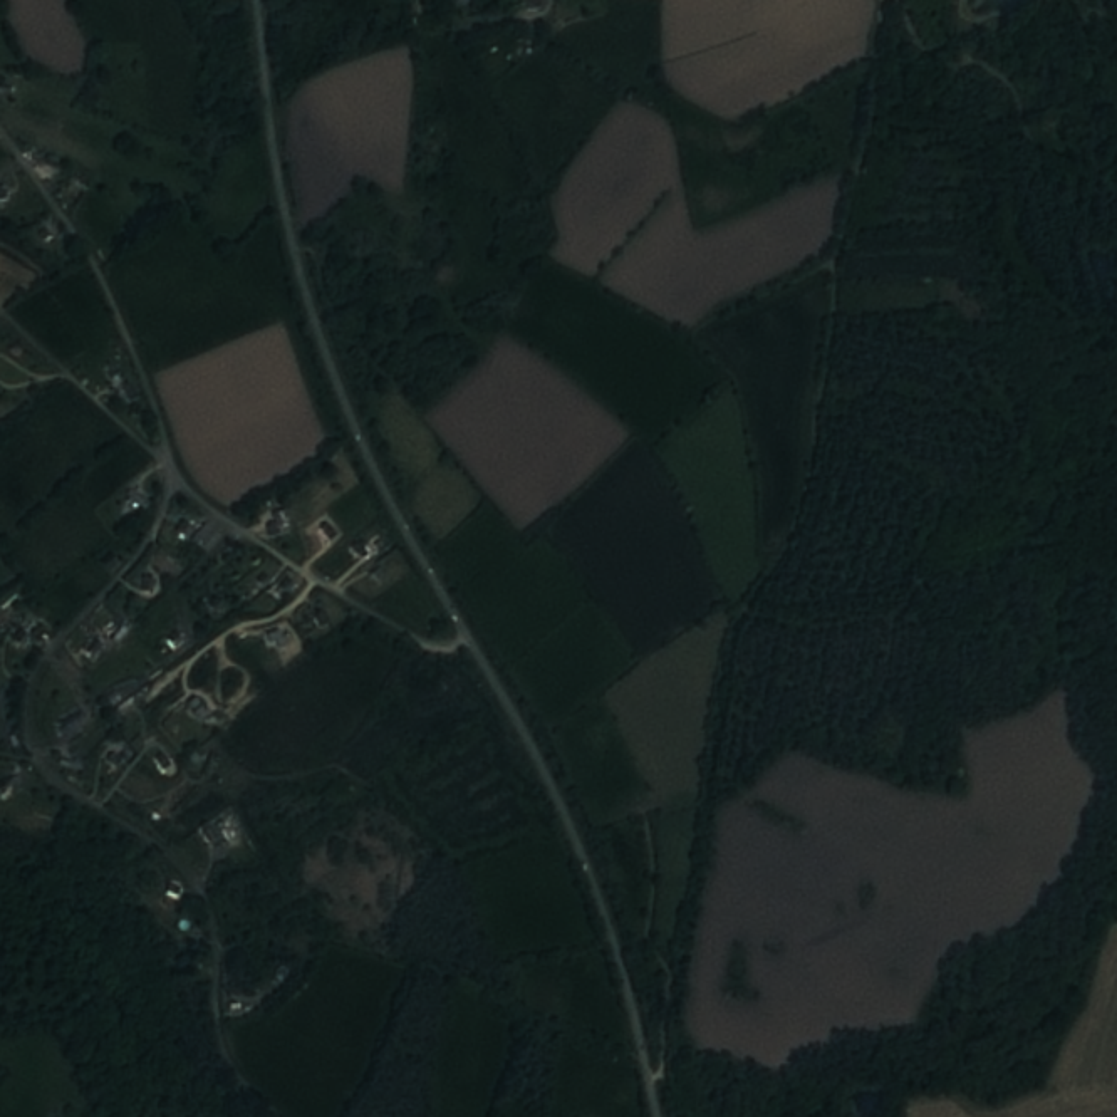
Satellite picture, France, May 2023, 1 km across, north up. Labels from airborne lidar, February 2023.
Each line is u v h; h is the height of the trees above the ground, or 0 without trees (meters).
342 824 6
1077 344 25
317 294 8
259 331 0
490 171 0
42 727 0
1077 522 11
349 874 0
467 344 12
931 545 16
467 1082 0
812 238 0
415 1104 18
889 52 11
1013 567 20
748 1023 0
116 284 0
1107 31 14
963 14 0
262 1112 25
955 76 7
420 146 7
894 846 0
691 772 0
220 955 0
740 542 0
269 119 0
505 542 0
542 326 0
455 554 0
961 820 0
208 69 7
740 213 0
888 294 0
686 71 0
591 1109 0
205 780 0
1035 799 0
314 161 0
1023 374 18
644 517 0
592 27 0
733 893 0
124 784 0
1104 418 10
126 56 0
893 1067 15
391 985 0
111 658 0
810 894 0
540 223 9
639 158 0
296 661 0
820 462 13
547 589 0
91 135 0
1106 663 18
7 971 15
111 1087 21
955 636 12
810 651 7
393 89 0
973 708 22
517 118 0
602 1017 0
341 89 0
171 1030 16
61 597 0
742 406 0
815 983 0
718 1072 17
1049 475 21
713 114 0
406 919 12
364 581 0
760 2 0
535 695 0
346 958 0
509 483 0
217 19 8
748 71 0
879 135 12
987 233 11
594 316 0
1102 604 12
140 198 17
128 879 18
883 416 8
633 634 0
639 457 0
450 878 13
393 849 6
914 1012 0
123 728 6
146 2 0
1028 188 19
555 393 0
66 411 0
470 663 8
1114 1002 0
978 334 9
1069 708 13
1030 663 19
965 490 7
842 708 8
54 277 7
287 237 0
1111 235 13
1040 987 17
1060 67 19
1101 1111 0
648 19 0
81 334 0
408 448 0
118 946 16
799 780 0
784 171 0
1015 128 7
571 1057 0
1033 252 17
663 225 0
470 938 13
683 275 0
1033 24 21
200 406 0
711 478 0
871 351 10
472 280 0
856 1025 0
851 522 12
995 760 0
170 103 0
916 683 11
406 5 6
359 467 9
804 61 0
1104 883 15
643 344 0
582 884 9
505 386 0
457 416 0
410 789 0
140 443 0
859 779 0
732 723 9
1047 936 18
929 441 11
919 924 0
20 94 0
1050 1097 0
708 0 0
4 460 0
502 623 0
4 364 0
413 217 0
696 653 0
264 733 0
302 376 0
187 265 0
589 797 0
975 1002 13
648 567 0
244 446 0
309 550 0
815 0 0
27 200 0
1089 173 10
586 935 0
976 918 0
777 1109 9
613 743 0
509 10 6
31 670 10
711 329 0
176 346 0
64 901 12
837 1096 11
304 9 10
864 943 0
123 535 9
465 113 0
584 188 0
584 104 0
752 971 0
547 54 8
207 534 0
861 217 0
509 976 8
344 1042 0
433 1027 14
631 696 0
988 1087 7
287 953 9
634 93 10
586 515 0
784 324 0
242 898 9
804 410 0
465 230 0
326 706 0
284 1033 0
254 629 0
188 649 0
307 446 0
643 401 0
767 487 0
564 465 0
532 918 0
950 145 9
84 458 0
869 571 12
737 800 9
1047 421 15
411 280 10
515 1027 12
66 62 0
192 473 0
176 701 0
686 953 7
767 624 10
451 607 0
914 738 17
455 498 0
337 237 10
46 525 0
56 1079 0
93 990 20
